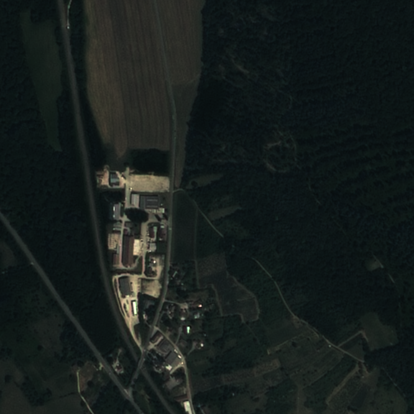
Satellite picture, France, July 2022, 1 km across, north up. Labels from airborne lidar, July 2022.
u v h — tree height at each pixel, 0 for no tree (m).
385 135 18
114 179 0
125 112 0
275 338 0
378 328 0
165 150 0
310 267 15
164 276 0
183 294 13
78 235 32
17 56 29
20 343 9
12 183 30
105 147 0
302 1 22
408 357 18
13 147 31
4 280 10
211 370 7
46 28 0
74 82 0
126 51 0
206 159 20
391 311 16
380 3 23
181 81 0
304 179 16
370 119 18
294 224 23
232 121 11
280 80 25
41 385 0
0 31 28
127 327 0
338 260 20
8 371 0
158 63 0
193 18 0
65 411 0
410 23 22
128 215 19
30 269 15
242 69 0
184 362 0
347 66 22
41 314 7
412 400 15
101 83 0
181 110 0
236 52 19
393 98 22
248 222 16
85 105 8
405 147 21
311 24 25
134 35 0
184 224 0
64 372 0
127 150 0
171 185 0
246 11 26
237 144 14
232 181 13
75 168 28
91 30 0
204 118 9
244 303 0
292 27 20
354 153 21
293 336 0
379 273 11
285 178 20
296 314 6
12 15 27
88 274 28
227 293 0
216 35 19
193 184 10
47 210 31
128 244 0
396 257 24
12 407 0
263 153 22
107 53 0
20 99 26
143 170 8
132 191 0
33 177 29
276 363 0
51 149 16
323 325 10
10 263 0
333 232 19
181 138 0
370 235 22
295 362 0
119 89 0
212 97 9
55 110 0
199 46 0
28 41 0
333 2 24
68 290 25
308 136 0
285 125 28
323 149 19
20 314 22
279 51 19
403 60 24
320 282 14
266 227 18
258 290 6
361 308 9
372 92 24
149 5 0
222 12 6
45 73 0
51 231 31
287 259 10
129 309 0
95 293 12
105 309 12
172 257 0
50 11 21
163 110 0
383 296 20
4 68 25
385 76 26
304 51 22
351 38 26
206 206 7
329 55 22
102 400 12
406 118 23
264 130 20
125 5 0
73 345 18
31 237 24
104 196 9
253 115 21
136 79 0
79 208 10
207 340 6
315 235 16
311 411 0
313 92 20
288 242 13
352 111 26
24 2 26
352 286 20
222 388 8
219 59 21
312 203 24
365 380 0
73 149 21
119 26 0
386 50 26
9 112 27
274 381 0
